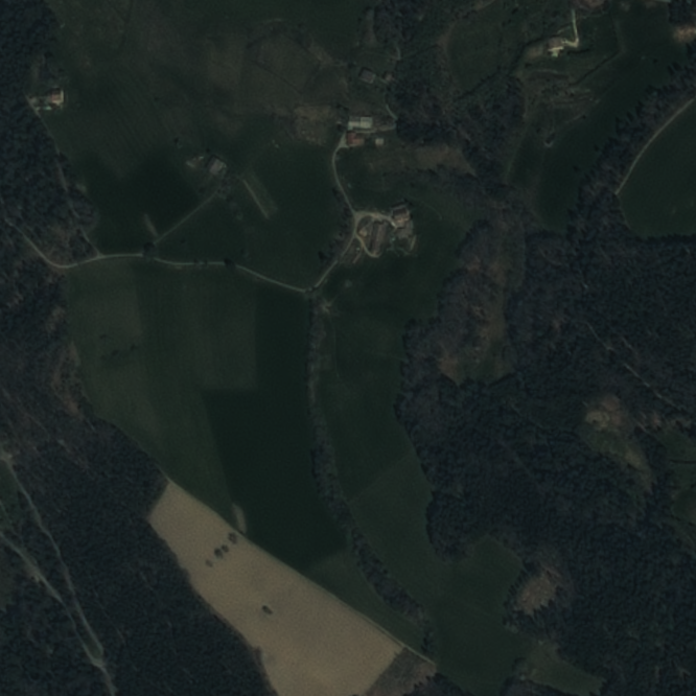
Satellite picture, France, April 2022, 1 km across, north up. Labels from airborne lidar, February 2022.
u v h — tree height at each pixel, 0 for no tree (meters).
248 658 21
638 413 30
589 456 31
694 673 11
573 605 20
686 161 0
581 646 30
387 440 0
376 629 0
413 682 0
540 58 0
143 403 0
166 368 0
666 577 21
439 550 21
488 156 22
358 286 0
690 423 28
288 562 0
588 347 23
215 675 25
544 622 25
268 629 0
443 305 20
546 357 25
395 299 0
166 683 20
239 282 0
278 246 0
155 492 23
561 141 0
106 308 0
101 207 0
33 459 21
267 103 0
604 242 24
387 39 26
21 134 26
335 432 0
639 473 10
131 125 0
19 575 35
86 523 21
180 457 0
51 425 19
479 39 0
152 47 0
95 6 0
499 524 21
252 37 0
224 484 0
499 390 14
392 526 0
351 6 0
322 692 0
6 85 31
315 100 0
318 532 0
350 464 0
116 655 19
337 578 0
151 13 0
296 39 0
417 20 26
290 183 0
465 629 0
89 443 20
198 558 0
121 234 0
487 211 20
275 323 0
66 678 12
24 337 14
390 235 0
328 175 0
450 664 0
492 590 0
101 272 0
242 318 0
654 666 26
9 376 21
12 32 34
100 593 21
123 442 22
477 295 35
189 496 0
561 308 10
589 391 22
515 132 22
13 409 21
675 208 0
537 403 31
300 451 0
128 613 20
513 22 6
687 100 21
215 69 0
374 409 0
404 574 0
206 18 0
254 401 0
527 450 24
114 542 23
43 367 23
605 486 13
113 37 0
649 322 22
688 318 21
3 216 29
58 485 22
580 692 0
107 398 0
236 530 0
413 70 11
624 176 15
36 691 38
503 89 11
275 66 0
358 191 0
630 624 13
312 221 0
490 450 20
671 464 21
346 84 0
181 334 0
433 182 18
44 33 31
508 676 0
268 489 0
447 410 27
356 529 8
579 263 21
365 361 0
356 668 0
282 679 0
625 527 21
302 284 0
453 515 30
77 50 0
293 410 0
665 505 30
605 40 0
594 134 0
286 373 0
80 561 23
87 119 0
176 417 0
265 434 0
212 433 0
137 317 0
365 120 0
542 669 0
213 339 0
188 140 0
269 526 0
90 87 0
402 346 0
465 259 25
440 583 0
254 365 0
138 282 0
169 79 0
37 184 8
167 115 0
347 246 19
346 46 0
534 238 21
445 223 0
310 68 0
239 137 0
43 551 26
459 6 11
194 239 0
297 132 0
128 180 0
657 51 0
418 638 0
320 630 0
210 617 22
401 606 20
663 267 23
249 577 0
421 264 0
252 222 0
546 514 21
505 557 0
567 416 13
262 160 0
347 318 0
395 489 0
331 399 0
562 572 21
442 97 13
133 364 0
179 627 26
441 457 23
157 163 0
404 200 0
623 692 27
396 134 0
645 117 20
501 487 22
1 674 36
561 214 0
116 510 22
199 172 0
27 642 34
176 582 24
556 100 0
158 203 0
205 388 0
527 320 30
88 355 0
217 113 0
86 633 25
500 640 0
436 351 36
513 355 15
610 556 26
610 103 0
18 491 0
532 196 0
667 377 27
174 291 0
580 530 24
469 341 18
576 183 0
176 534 0
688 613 32
